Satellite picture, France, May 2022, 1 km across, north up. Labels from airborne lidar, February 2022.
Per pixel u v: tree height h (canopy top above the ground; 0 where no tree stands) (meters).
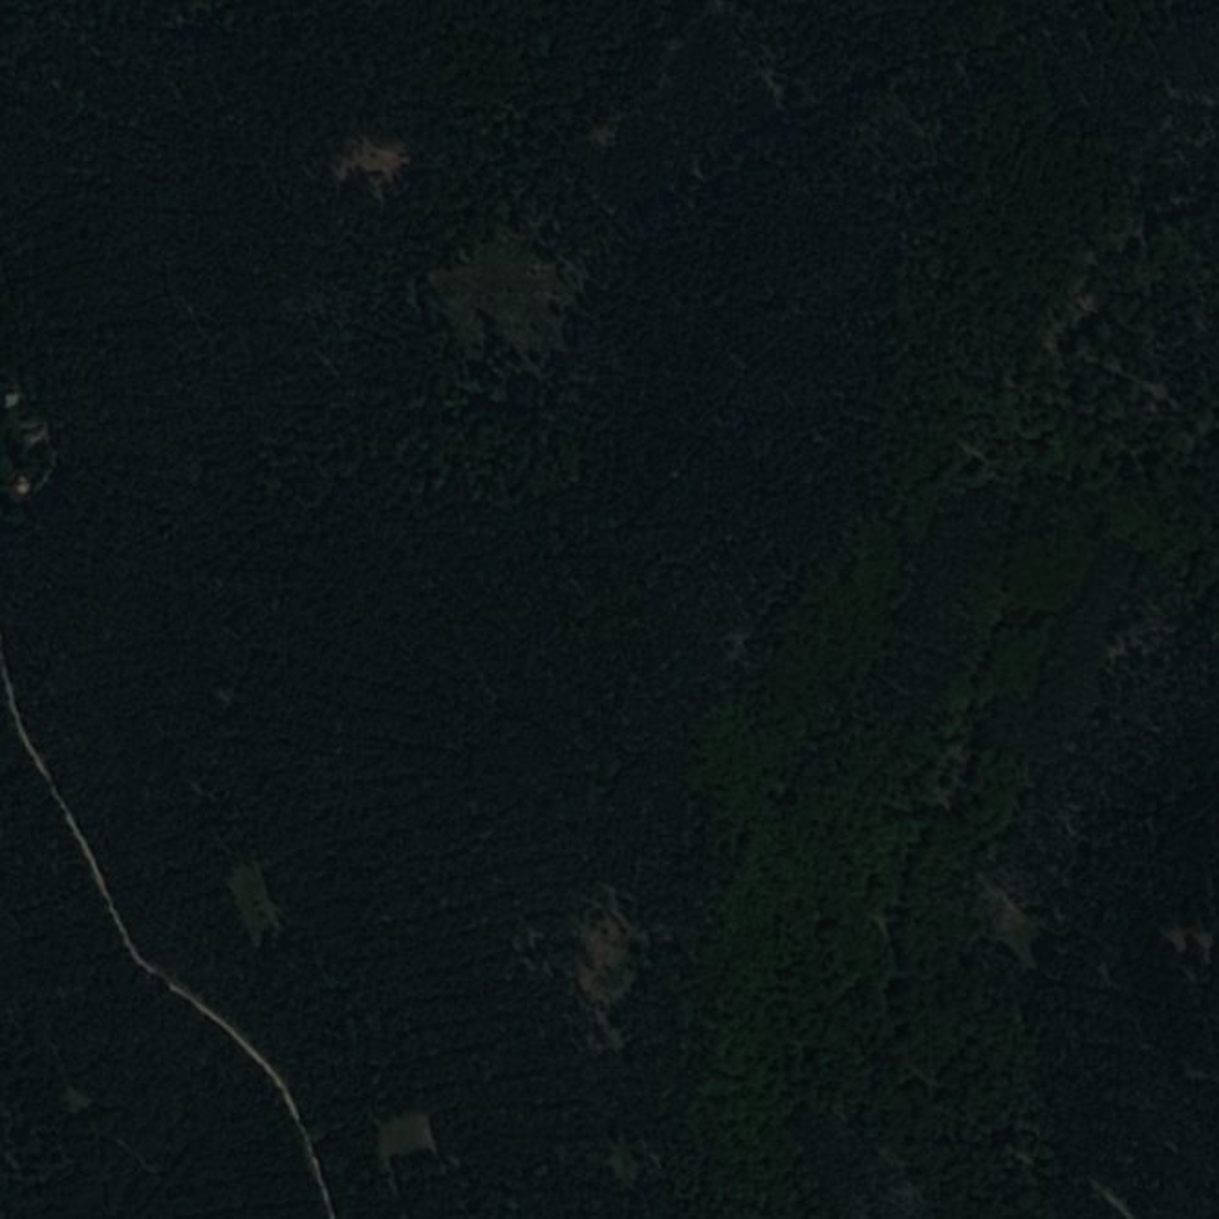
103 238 17
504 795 21
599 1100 18
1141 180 18
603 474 26
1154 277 17
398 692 21
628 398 21
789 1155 18
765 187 22
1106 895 18
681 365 24
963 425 24
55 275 19
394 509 23
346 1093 21
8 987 19
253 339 22
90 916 20
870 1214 12
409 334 25
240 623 23
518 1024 19
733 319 22
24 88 24
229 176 23
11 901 19
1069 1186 19
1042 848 19
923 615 20
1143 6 16
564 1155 19
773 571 20
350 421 20
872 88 27
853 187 20
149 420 15
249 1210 19
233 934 23
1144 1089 20
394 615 26
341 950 22
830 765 18
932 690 20
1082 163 22
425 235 25
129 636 18
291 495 25
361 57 24
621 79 23
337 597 23
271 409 23
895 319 21
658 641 23
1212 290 23
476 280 0
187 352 16
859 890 18
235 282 19
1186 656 32
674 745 19
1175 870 13
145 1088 24
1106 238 20
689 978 21
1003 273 22
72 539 19
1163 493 24
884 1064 17
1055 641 17
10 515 22
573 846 23
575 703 23
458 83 23
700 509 20
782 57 23
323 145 23
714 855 20
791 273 22
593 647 24
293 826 21
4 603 20
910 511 17
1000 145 22
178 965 18
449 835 19
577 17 32
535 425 28
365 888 18
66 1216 13
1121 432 27
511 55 22
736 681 17
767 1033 21
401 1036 22
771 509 22
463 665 21
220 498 22
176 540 22
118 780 21
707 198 21
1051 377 26
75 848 21
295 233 25
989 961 28
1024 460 18
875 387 24
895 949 17
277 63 26
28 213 18
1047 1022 26
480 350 0
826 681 18
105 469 20
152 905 21
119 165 16
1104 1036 19
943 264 19
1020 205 21
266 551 22
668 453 22
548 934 22
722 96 6
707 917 17
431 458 20
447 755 20
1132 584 24
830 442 23
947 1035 21
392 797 23
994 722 18
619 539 20
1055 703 17
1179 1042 16
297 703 22
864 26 24
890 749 22
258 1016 20
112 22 26
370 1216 19
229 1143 21
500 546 25
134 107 20
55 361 16
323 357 19
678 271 24
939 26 25
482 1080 20
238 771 17
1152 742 21
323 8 28
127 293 15
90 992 17
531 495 24
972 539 16
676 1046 20
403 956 20
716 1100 23
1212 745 20
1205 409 22
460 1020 19
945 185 20
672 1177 18
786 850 21
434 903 24
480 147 22
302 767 20
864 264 20
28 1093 19
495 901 19
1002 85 23
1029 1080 22
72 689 18
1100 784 24
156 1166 19
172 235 15
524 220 25
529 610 20
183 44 25
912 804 22
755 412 22
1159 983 14
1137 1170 21
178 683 20
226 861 22
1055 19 16
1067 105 21
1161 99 18
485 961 22
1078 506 15
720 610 22
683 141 6
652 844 22
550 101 28
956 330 23
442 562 26
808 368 22
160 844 16
